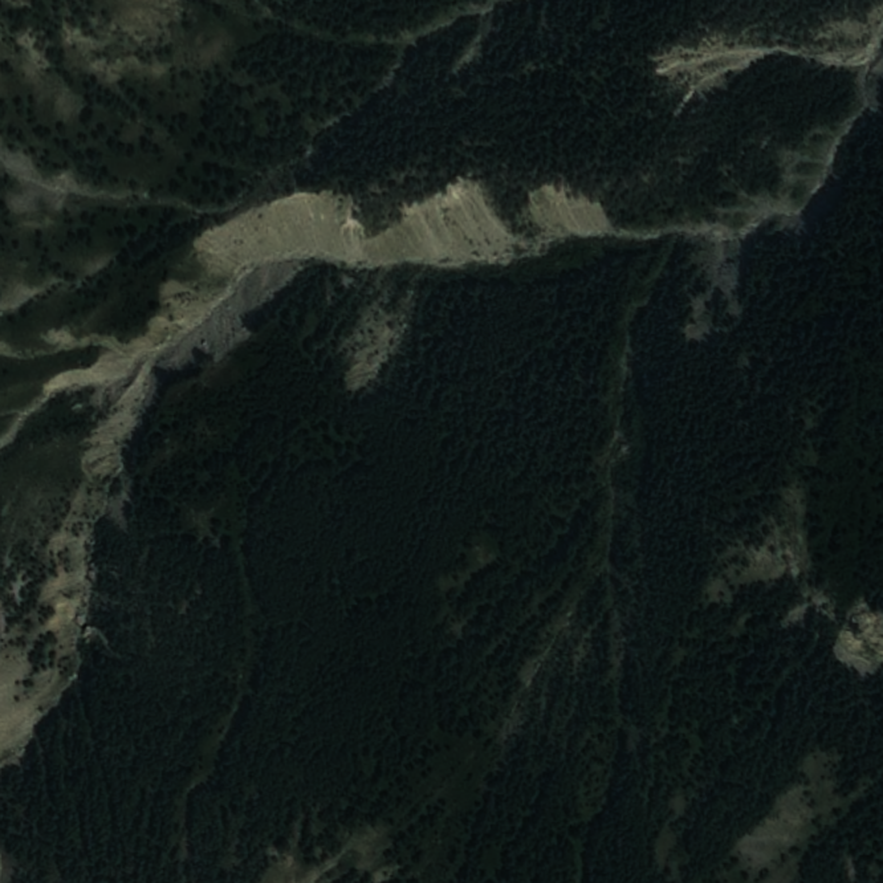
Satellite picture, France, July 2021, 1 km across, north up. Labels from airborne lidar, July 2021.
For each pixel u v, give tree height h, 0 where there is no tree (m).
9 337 0
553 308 18
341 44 6
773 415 24
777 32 10
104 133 21
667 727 8
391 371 9
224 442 6
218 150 26
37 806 20
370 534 24
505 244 0
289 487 22
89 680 18
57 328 0
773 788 16
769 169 8
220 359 0
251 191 14
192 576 19
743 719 23
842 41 7
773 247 28
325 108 15
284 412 10
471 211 0
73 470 0
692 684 21
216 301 0
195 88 0
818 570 12
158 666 12
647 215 16
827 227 23
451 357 26
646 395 11
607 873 21
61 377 0
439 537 21
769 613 22
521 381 27
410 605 24
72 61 0
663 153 19
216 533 16
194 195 6
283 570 21
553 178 10
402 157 11
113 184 10
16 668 0
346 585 21
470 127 18
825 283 28
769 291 16
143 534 9
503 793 19
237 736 16
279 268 0
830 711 16
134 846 13
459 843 8
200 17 0
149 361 0
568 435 20
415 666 19
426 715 27
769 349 22
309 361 9
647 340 14
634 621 8
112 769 20
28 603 9
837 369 27
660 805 17
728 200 12
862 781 21
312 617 23
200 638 12
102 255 0
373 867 0
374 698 25
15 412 0
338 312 14
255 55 11
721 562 6
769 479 25
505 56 18
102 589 8
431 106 16
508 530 31
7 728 0
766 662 20
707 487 16
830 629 7
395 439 28
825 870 21
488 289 20
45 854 12
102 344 0
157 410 9
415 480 27
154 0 0
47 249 10
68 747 17
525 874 22
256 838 12
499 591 26
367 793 18
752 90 12
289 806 17
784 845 0
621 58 17
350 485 23
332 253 0
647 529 15
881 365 9
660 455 18
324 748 18
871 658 0
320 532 18
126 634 8
